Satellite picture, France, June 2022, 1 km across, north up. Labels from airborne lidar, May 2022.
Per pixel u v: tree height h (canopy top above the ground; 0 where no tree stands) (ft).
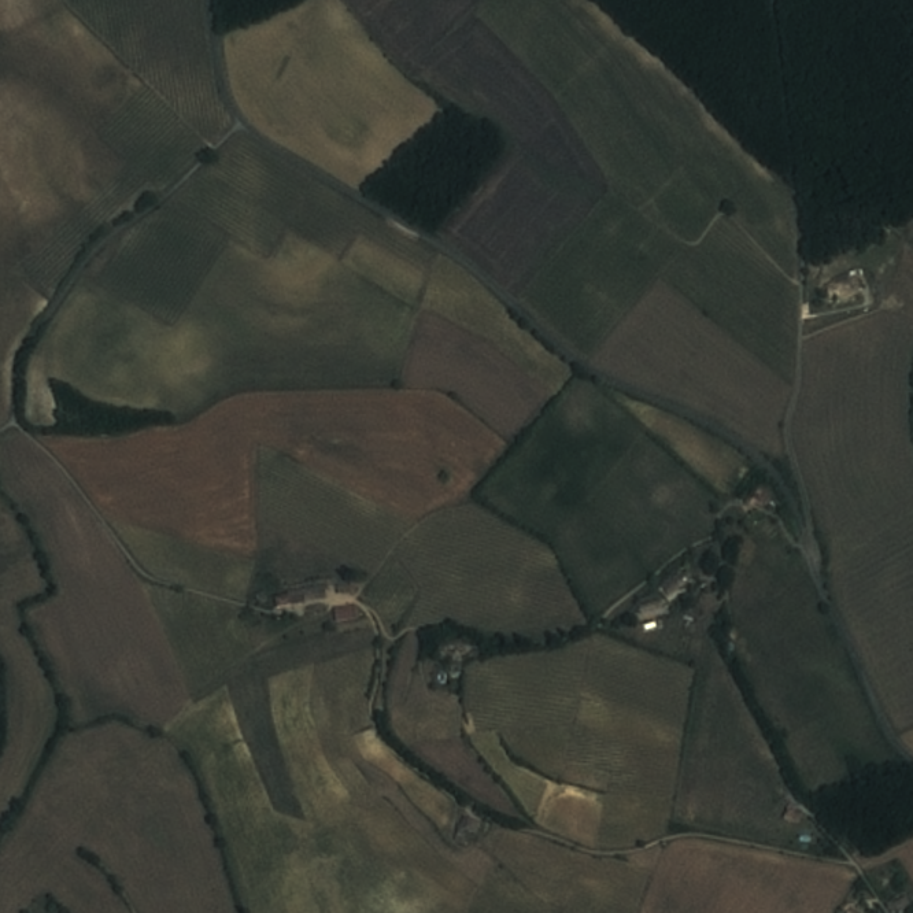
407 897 0
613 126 0
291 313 0
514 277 0
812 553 0
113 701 0
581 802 0
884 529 0
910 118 76
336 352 0
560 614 0
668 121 0
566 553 0
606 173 0
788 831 0
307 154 0
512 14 0
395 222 0
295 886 0
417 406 0
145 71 0
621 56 0
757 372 0
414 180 57
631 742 0
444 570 0
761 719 42
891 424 0
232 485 0
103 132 0
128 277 0
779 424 21
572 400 0
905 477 0
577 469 0
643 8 57
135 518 0
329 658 0
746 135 51
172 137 0
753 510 31
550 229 0
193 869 0
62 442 0
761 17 50
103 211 0
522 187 0
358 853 0
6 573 0
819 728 0
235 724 0
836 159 74
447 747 0
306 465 0
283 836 0
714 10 52
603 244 0
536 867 0
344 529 0
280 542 0
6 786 0
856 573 0
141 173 0
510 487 0
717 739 0
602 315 0
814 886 0
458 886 0
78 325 0
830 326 0
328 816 0
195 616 0
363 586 0
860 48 74
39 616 0
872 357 0
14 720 0
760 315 0
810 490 0
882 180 73
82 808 0
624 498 0
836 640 0
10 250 0
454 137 68
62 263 0
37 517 0
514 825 51
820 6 50
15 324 0
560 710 0
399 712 0
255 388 0
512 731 0
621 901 0
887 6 74
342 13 0
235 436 0
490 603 0
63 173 0
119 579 0
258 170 0
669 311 0
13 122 0
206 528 0
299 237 0
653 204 0
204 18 0
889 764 46
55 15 0
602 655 0
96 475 0
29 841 0
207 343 0
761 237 0
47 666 46
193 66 0
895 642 0
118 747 0
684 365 0
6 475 0
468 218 0
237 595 0
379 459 0
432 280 0
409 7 0
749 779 0
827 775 0
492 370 0
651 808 0
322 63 0
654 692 0
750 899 0
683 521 0
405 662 0
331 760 0
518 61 0
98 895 0
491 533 0
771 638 0
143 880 0
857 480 0
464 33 0
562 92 0
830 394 0
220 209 0
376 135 0
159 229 0
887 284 0
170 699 0
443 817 0
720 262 0
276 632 0
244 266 0
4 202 0
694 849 0
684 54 42
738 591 0
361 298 0
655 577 32
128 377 0
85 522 0
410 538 0
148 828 0
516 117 0
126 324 0
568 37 0
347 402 0
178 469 0
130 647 0
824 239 67
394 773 0
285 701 0
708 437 0
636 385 0
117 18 0
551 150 0
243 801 0
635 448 0
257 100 0
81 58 0
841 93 81
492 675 0
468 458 0
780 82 40
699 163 0
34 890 0
